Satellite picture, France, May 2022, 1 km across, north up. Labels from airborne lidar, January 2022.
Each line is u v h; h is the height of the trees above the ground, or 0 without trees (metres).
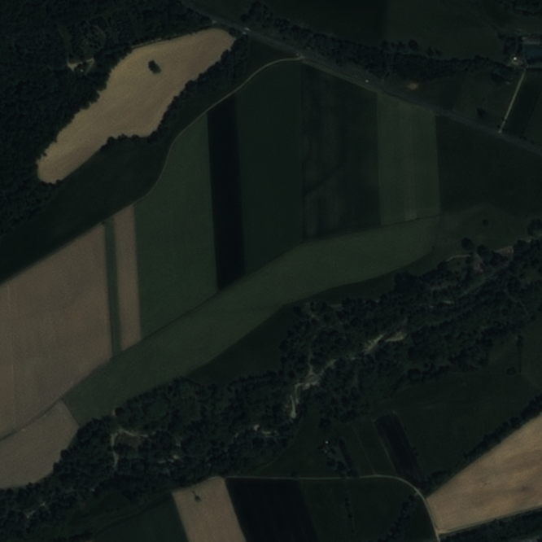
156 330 0
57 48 23
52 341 0
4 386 0
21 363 0
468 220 0
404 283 35
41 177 0
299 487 0
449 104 0
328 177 0
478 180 0
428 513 0
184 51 0
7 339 0
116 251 0
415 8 0
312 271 0
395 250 0
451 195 0
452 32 0
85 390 0
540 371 0
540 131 0
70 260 0
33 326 0
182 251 0
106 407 0
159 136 12
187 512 0
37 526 19
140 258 0
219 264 0
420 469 0
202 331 0
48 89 25
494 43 0
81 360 0
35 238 0
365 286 0
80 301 0
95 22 6
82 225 0
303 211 0
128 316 0
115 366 0
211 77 19
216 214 0
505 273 15
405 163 0
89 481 22
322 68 0
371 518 0
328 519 0
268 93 0
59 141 0
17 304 0
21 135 22
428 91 0
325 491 0
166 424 12
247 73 0
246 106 0
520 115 0
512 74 17
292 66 0
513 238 0
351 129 0
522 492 0
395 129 0
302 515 0
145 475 18
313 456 0
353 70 0
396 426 0
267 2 0
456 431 0
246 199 0
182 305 0
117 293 0
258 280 0
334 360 0
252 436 14
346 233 0
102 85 18
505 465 0
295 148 0
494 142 0
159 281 0
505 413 0
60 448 0
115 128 0
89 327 0
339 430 0
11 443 0
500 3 14
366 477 0
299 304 0
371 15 0
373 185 0
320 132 0
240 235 0
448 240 0
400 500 0
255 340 0
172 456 10
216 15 0
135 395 0
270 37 0
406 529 16
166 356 0
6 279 0
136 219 0
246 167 0
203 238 0
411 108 0
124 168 0
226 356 0
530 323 11
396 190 0
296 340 16
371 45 0
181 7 25
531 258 19
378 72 23
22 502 18
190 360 0
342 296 0
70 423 0
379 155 0
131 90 0
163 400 22
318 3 0
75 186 0
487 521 0
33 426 0
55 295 0
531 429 0
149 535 0
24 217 15
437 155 0
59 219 0
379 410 0
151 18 26
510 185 0
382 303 12
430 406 0
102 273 0
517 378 0
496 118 0
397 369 17
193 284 0
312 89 0
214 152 0
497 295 24
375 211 0
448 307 8
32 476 0
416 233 0
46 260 0
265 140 0
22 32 23
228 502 0
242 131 0
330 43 19
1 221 22
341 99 0
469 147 0
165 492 0
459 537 13
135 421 17
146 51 0
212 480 0
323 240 0
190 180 0
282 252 0
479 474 0
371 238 0
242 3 0
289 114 0
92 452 12
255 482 0
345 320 17
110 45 8
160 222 0
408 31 0
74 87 20
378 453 0
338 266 0
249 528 0
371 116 0
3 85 26
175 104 14
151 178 0
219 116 0
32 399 0
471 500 0
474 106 0
